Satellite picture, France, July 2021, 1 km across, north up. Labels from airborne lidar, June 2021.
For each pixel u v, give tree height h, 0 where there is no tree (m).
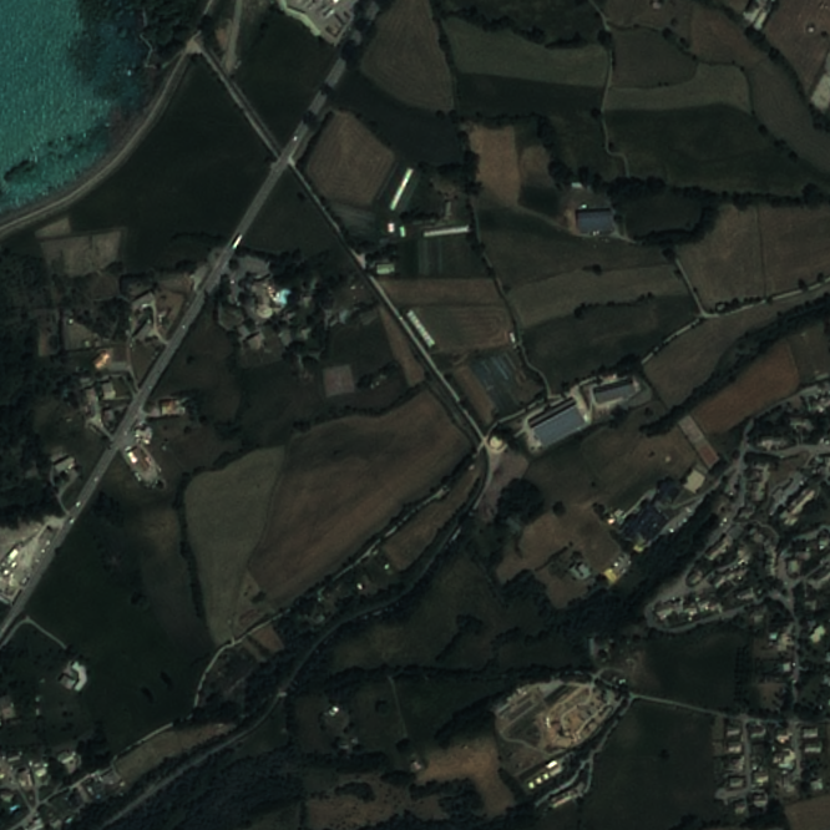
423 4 0
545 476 0
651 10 0
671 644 0
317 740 0
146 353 0
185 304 0
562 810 0
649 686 0
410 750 14
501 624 0
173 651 0
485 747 0
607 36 21
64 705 6
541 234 0
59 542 0
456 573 0
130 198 0
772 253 0
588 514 0
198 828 11
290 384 0
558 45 11
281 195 0
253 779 8
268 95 0
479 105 0
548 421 0
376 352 0
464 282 0
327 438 0
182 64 0
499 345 0
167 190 0
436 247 0
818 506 9
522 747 0
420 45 0
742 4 0
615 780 0
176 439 0
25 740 0
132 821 13
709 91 0
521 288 0
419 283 0
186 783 8
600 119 15
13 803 7
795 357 0
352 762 10
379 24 25
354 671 9
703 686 0
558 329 0
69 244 0
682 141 0
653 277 0
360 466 0
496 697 9
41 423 0
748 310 0
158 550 0
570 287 0
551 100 0
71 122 0
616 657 0
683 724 0
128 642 0
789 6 0
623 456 0
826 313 8
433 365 0
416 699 0
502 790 0
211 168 0
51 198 0
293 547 0
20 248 0
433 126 0
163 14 12
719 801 8
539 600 9
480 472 0
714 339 0
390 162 0
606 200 0
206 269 0
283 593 0
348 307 0
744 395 0
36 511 15
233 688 0
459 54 0
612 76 0
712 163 0
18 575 0
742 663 7
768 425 14
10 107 0
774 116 0
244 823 9
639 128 0
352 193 0
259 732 0
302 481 0
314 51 0
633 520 0
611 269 0
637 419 0
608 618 13
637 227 0
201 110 0
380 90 0
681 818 0
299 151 0
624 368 8
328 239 0
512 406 0
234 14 0
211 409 0
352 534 0
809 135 0
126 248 0
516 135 0
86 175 0
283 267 14
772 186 0
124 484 0
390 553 0
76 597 0
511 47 0
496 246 0
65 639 0
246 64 0
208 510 0
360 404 0
